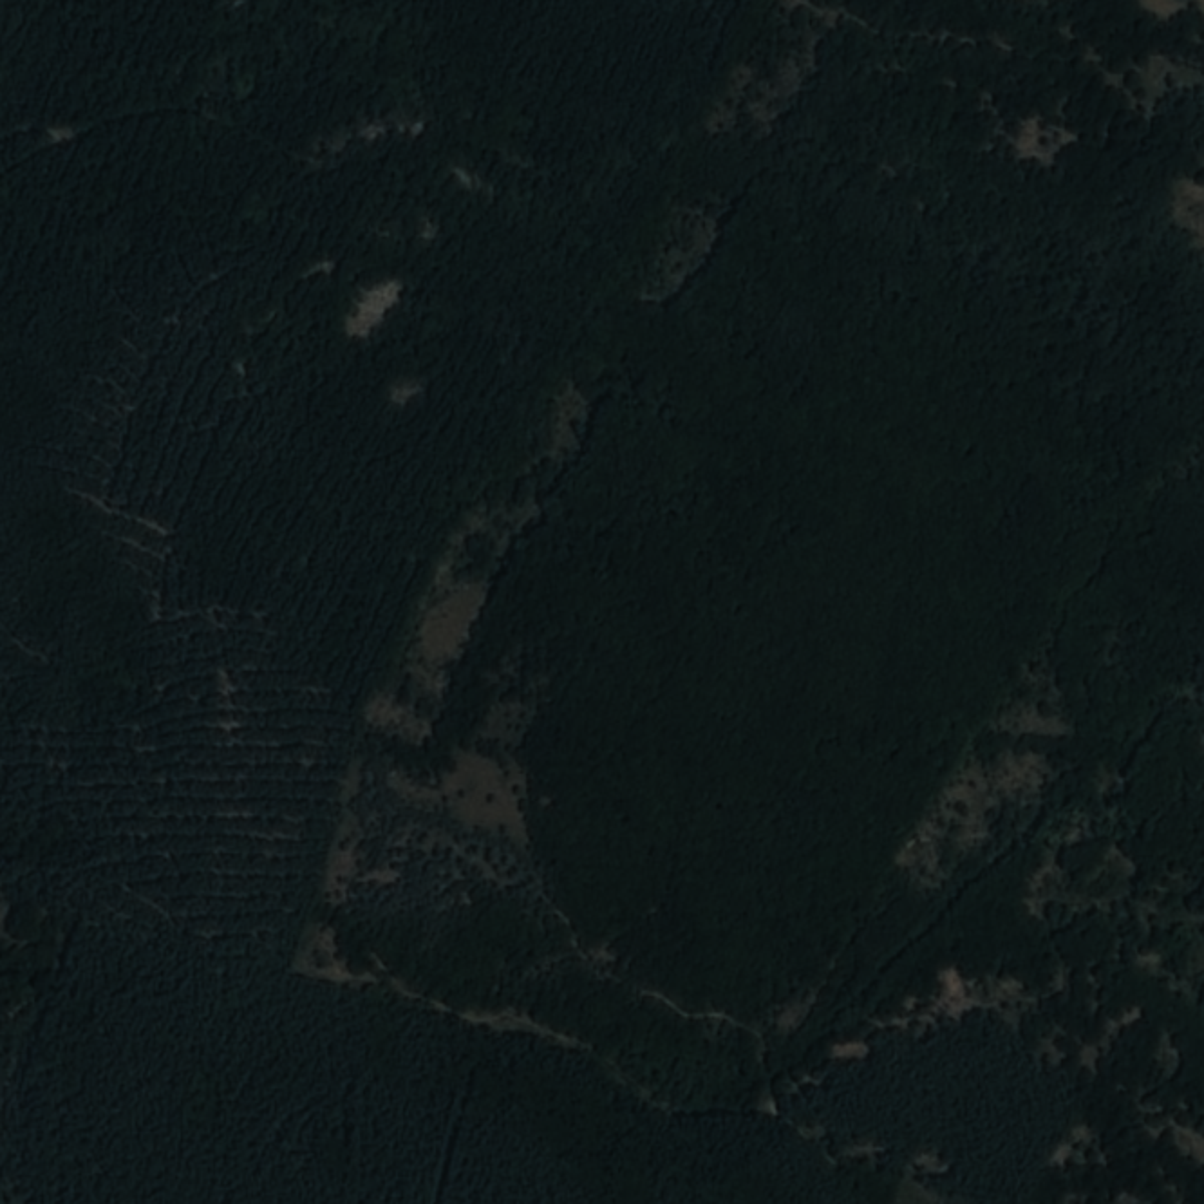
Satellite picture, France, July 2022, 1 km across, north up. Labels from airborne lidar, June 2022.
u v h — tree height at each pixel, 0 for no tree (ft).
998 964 59
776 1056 31
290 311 36
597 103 66
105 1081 42
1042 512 72
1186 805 58
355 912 28
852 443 68
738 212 62
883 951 25
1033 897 37
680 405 54
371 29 42
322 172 33
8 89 53
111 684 37
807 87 35
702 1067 45
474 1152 57
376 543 65
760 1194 49
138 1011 46
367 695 56
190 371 68
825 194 67
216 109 49
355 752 27
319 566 61
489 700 31
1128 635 37
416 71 35
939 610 82
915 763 76
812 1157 59
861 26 39
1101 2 47
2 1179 47
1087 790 61
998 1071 61
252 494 45
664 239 24
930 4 59
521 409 51
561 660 27
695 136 26
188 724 60
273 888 52
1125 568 54
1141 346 62
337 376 66
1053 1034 24
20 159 47
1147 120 39
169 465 58
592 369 72
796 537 68
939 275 54
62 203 47
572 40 51
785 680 67
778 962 43
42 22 53
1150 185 51
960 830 26
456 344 49
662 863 38
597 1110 45
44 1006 23
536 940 35
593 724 47
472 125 66
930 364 65
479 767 0
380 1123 63
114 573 53
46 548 46
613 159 47
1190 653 39
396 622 56
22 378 40
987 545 72
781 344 71
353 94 58
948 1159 53
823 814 46
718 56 64
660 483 54
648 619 65
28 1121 38
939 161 36
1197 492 38
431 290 46
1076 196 49
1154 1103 41
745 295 63
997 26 44
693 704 65
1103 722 21
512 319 52
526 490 38
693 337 76
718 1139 65
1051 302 60
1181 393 64
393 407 33
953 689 83
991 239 64
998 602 73
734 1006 39
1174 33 45
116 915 58
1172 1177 34
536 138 70
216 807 55
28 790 65
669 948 29
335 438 55
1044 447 57
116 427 64
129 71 46
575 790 37
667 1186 53
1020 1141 65
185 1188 59
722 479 73
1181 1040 55
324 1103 60
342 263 64
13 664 61
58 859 49
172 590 56
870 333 69
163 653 51
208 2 36
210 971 52
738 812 54
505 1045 72
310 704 62
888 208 69
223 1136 52
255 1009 55
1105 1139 38
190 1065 48
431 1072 52
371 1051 60
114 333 45
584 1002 31
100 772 55
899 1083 44
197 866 54
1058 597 65
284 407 57
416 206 31
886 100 47
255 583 59
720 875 52
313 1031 57
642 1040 49
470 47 59
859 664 72
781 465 54
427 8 49
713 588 57
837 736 66
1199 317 45
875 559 72
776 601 60
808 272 62
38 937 44
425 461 60
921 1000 31
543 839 36
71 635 51
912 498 60
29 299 34
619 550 77
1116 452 60
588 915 39
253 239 63
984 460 63
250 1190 52
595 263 45
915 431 69
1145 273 65
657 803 56
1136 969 56
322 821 40
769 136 27
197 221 39
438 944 27
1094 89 53
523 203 29
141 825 61
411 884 48
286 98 62
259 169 59
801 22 28
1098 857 60
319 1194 41
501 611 44
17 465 47
